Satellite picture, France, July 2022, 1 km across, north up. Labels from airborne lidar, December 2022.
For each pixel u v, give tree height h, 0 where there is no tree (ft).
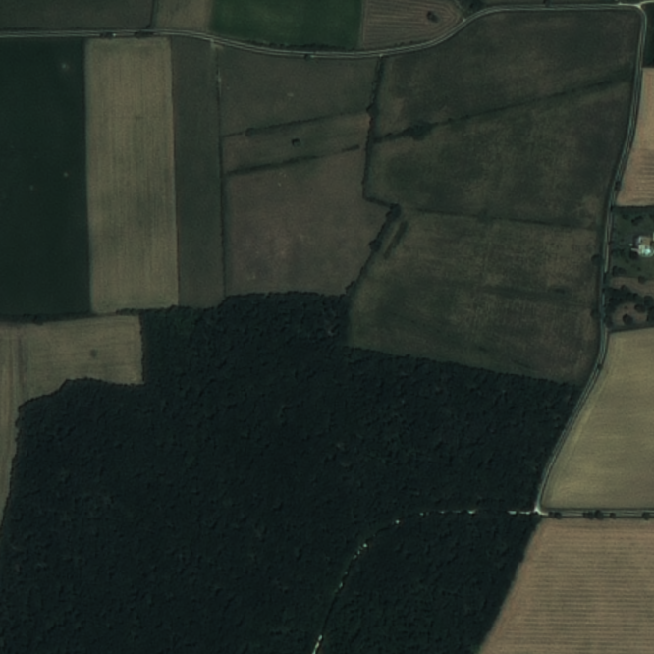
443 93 0
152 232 0
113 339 0
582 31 0
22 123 0
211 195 0
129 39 0
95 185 0
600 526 0
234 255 0
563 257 0
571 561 0
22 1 0
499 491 67
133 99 0
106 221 0
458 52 0
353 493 62
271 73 0
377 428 73
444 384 69
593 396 0
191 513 68
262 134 0
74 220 0
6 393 0
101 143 0
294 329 69
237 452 63
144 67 0
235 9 0
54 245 0
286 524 67
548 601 0
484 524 65
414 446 64
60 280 0
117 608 66
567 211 0
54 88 0
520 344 0
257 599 63
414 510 61
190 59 0
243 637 63
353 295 43
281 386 65
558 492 0
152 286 0
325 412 72
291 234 0
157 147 0
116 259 0
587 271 0
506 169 0
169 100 0
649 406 0
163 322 53
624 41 0
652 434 0
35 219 0
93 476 56
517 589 0
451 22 0
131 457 64
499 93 0
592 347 0
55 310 0
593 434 0
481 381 68
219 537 71
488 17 0
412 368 56
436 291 0
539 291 0
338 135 0
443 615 68
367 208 0
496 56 0
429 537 69
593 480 0
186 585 64
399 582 60
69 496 67
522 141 0
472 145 0
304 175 0
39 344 0
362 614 51
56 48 0
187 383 66
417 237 0
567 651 0
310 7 0
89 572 60
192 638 65
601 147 0
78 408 73
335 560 57
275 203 0
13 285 0
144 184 0
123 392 49
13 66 0
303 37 0
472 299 0
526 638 0
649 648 0
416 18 0
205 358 58
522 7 0
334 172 0
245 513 47
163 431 65
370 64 0
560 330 0
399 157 0
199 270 0
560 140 0
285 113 0
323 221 0
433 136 0
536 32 0
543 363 0
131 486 66
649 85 0
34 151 0
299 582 60
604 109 0
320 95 0
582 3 0
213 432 70
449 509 34
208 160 0
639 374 0
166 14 0
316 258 0
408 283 0
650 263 0
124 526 66
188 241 0
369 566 61
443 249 0
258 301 45
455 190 0
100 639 57
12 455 0
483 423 74
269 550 65
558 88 0
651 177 0
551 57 0
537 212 0
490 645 0
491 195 0
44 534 68
